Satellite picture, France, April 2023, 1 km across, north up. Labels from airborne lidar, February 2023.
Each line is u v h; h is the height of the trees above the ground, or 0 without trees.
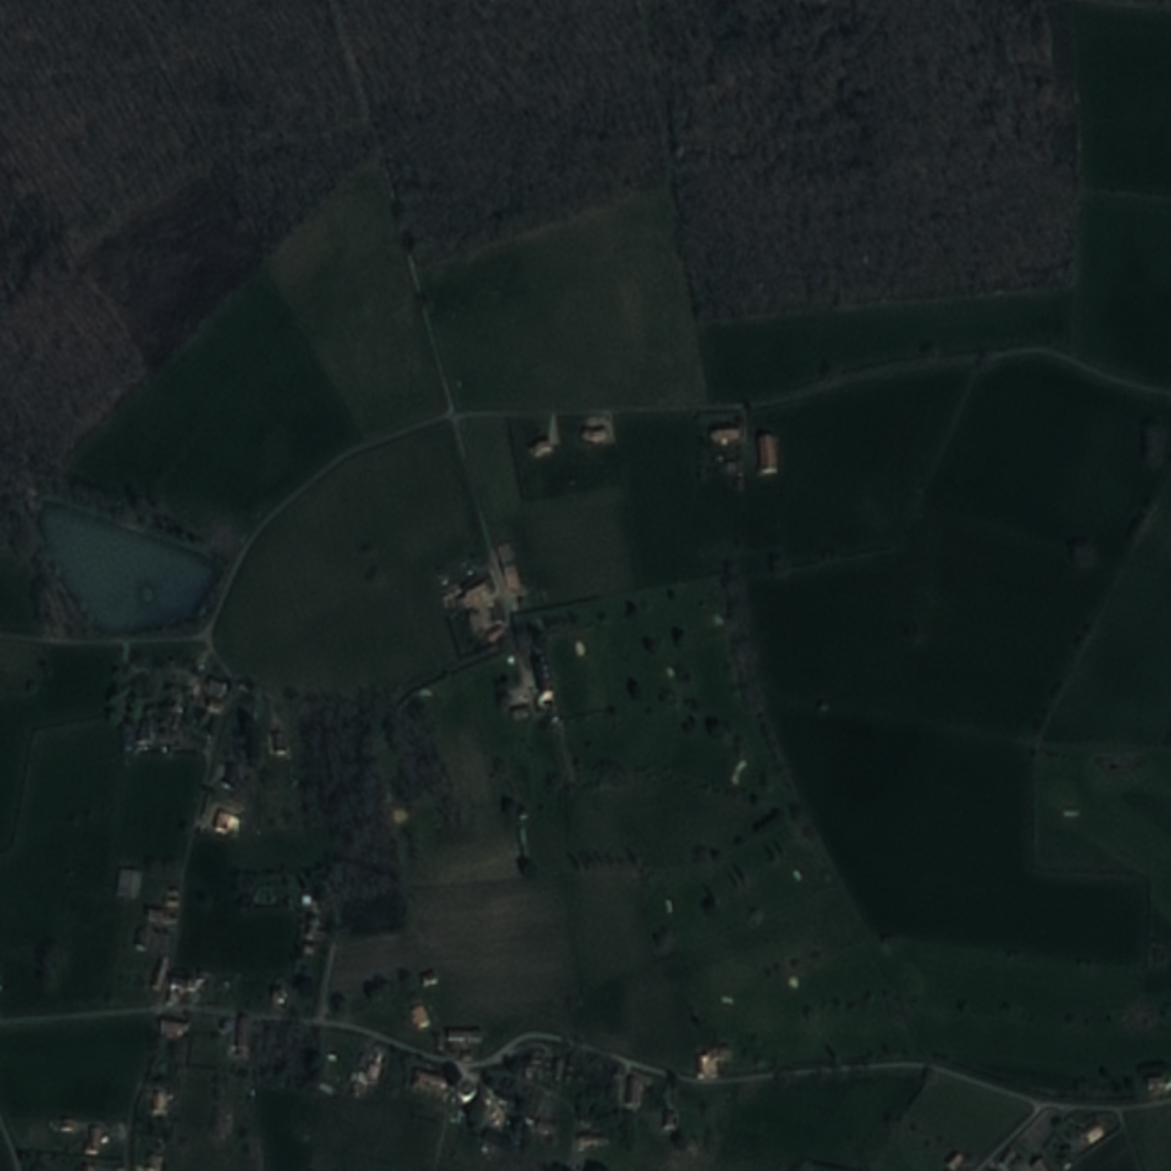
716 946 0
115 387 15
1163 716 0
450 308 0
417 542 0
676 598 7
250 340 0
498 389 0
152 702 10
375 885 15
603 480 0
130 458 0
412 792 19
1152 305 0
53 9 24
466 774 0
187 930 0
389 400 0
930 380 0
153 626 0
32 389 16
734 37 12
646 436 0
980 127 14
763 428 0
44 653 0
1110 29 0
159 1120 8
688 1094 0
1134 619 0
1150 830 0
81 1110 0
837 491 0
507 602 0
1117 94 0
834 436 0
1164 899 0
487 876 0
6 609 0
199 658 0
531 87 21
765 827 9
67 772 0
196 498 0
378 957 0
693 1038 0
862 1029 0
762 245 18
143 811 0
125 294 0
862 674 0
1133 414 0
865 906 0
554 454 0
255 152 22
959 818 0
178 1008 0
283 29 24
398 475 0
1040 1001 0
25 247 24
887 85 16
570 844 0
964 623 0
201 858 0
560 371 0
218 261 0
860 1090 0
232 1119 0
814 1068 0
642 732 0
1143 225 0
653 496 0
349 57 23
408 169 20
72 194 23
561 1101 0
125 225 7
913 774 0
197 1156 0
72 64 25
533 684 0
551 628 12
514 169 22
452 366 0
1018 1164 9
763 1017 0
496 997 0
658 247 0
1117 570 0
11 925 0
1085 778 0
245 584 0
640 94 22
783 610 0
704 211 14
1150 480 0
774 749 10
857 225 18
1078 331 0
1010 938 0
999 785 0
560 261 0
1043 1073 0
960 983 0
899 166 17
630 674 0
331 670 0
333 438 0
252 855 0
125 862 0
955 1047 0
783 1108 0
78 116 25
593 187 18
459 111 22
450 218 14
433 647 0
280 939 0
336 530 0
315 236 0
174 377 0
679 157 19
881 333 0
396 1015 0
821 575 0
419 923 0
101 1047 0
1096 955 0
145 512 25
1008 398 0
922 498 0
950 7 14
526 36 24
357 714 16
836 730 0
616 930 0
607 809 0
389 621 0
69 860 0
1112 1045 0
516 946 0
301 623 0
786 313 11
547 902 0
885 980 0
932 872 0
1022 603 0
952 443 0
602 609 0
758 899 0
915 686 0
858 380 0
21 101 23
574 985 0
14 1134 0
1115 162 0
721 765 0
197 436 0
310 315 0
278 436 0
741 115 17
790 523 0
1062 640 0
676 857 0
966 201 13
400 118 23
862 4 14
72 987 0
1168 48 0
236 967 0
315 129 20
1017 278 11
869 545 0
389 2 22
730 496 0
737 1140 0
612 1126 8
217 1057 0
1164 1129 0
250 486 0
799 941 0
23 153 23
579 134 24
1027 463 0
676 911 0
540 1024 0
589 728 0
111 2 24
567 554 0
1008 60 25
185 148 23
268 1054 10
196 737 8
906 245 11
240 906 7
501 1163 0
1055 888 0
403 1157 0
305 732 6
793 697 0
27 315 12
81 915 0
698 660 0
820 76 17
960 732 0
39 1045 0
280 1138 0
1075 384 0
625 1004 0
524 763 0
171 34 24
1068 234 11
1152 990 0
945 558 0
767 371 0
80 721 0
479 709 0
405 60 24
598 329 0
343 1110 0
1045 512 0
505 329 0
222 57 24
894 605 0
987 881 0
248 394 0
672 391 0
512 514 0
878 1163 0
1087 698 0
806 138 17
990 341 0
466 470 0
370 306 0
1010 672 0
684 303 0
